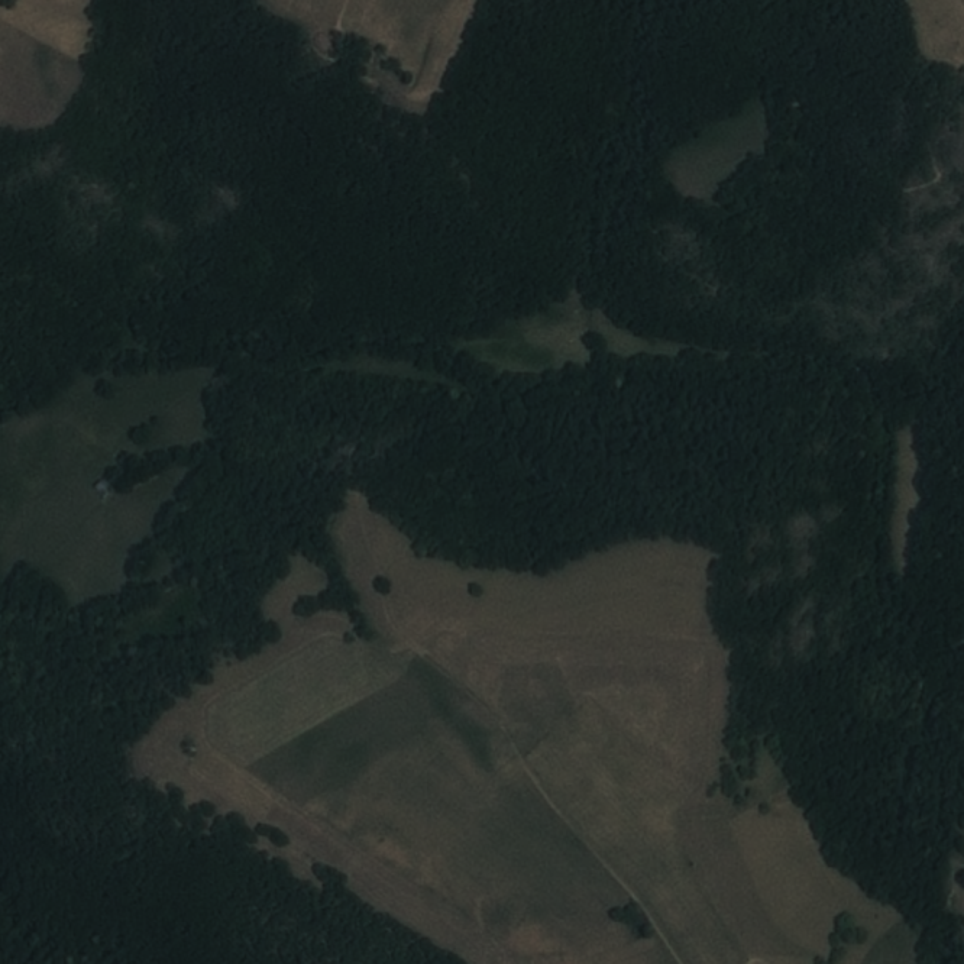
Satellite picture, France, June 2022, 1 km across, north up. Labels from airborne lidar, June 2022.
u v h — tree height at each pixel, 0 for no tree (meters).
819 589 14
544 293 18
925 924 23
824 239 19
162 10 15
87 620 24
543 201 16
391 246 20
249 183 12
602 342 16
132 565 14
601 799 0
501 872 0
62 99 0
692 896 0
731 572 10
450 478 23
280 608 0
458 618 0
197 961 23
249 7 17
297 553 14
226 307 26
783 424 16
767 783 0
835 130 21
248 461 17
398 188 19
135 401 0
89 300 23
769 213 22
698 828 0
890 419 20
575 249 24
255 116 14
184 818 13
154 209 10
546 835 0
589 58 20
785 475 12
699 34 22
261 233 20
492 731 0
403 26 0
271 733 0
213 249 22
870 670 25
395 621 0
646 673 0
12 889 30
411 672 0
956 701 25
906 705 24
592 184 26
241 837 16
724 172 0
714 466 10
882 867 30
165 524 20
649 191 15
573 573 0
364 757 0
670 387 23
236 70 22
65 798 11
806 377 20
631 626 0
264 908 10
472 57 18
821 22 23
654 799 0
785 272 14
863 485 23
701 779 0
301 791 0
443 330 22
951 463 20
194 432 0
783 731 16
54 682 18
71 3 0
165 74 21
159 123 19
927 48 0
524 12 12
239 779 0
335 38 13
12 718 18
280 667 0
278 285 18
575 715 0
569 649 0
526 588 0
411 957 7
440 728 0
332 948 10
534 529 30
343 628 0
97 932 29
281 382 21
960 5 0
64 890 22
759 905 0
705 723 0
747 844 0
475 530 23
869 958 0
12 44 0
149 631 0
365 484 13
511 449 30
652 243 14
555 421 18
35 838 16
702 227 13
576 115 22
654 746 0
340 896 14
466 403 21
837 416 17
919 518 28
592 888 0
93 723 16
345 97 19
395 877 0
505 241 17
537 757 0
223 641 9
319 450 8
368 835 0
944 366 21
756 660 13
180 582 16
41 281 23
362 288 22
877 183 15
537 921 0
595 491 20
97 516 0
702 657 0
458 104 15
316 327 25
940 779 12
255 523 10
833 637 8
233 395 19
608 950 0
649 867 0
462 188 10
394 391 19
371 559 0
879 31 13
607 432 15
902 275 7
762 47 21
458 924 0
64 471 0
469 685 0
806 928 0
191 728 0
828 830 13
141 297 17
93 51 10
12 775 20
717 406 17
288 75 21
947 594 18
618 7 21
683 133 26
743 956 0
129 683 14
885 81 20
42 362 25
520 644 0
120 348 9
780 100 23
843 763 18
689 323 13
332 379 22
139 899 19
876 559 6
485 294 14
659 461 19
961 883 19
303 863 0
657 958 0
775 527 9
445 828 0
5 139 16
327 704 0
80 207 8
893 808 14
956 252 11
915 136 13
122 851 14
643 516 7
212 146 6
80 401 0
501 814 0
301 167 22
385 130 6
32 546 0
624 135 23
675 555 0
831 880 0
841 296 6
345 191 16
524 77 16
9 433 0
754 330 15
